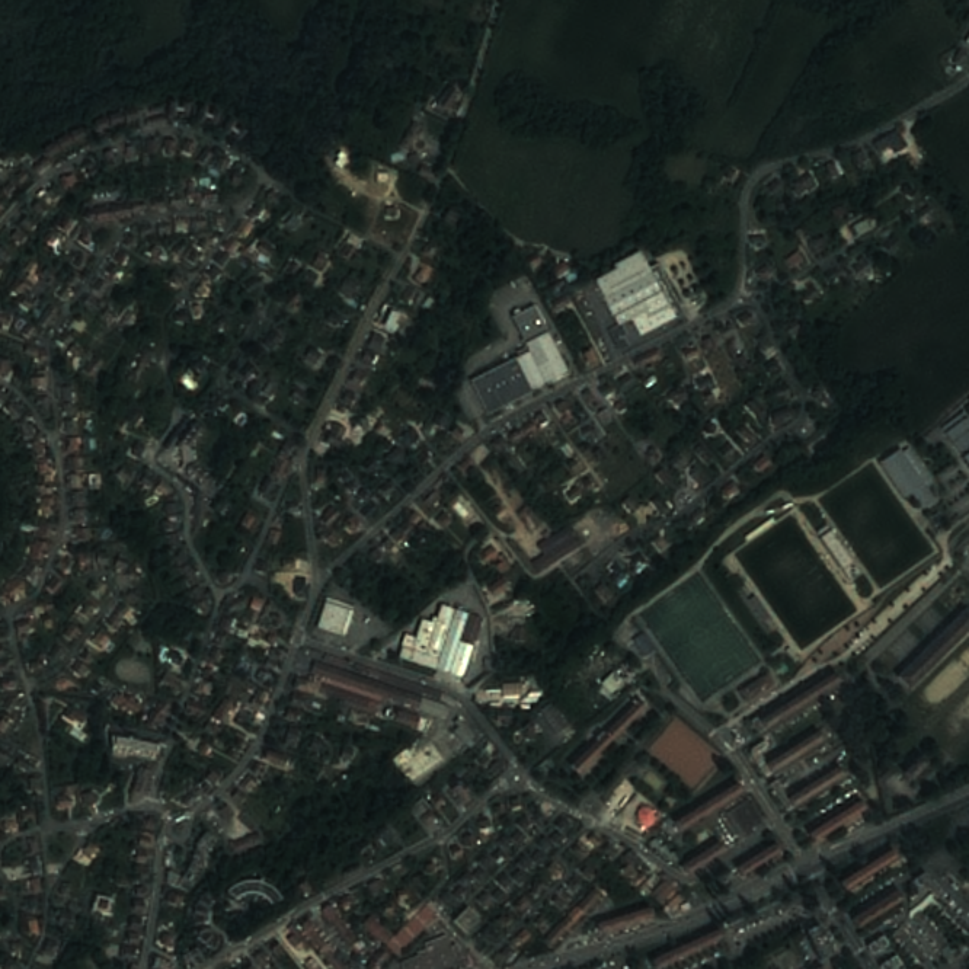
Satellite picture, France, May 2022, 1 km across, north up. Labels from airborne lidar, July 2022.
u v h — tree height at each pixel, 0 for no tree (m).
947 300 0
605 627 16
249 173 7
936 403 0
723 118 0
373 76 27
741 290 0
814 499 0
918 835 22
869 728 19
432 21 14
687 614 0
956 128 0
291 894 13
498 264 16
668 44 0
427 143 0
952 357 0
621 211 0
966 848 19
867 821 16
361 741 12
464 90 17
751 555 0
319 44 19
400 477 12
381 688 0
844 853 0
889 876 7
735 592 0
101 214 0
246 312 13
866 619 0
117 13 13
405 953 10
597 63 0
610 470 0
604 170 0
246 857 7
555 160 0
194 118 15
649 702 8
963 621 0
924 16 0
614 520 0
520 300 0
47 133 14
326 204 0
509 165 0
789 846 0
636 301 0
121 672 0
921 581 0
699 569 0
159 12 0
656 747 0
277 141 18
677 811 0
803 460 12
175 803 0
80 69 15
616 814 0
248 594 6
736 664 0
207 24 9
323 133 26
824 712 9
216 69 29
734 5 0
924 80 0
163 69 15
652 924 0
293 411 6
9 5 8
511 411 0
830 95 8
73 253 7
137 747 0
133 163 7
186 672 9
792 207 13
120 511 13
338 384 0
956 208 18
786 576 0
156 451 0
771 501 0
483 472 10
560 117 11
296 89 28
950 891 0
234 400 7
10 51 8
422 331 24
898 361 0
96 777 13
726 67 0
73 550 10
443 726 0
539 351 0
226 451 22
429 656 0
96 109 17
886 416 12
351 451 21
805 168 9
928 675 0
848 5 24
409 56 18
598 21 0
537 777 14
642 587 16
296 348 9
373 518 7
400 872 0
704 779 0
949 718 0
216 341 7
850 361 0
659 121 12
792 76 0
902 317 0
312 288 10
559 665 9
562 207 0
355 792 16
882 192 7
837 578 0
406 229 0
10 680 0
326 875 0
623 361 0
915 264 0
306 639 0
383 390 7
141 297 21
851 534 0
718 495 6
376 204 0
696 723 0
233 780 0
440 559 6
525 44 0
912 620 0
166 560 8
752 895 0
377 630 0
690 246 0
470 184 0
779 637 0
